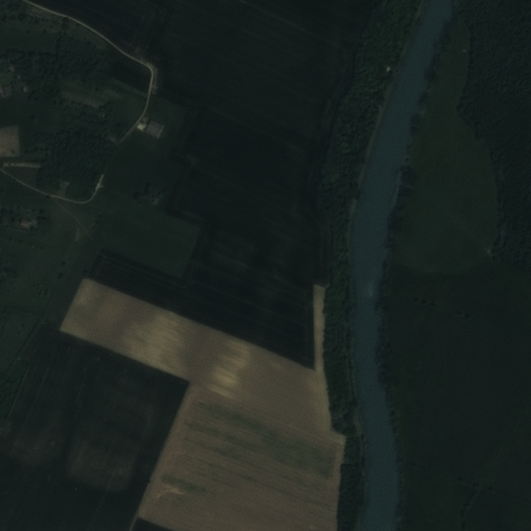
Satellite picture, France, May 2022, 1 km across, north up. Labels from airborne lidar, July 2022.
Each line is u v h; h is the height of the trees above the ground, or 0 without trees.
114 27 0
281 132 0
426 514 0
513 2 15
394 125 0
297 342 0
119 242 0
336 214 14
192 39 0
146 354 0
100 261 0
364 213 0
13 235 0
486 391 0
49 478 0
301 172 0
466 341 0
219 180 0
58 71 10
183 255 0
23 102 0
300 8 0
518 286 0
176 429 0
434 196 0
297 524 0
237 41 0
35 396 0
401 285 0
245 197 0
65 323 0
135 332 0
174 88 0
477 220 0
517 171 18
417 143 0
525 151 16
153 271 0
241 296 0
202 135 0
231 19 0
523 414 0
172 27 0
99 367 0
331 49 0
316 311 0
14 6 11
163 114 0
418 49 0
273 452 0
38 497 0
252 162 0
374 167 0
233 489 0
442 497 0
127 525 0
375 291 0
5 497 0
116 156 0
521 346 0
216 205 0
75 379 0
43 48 0
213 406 0
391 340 0
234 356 0
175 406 0
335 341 17
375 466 0
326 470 0
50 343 0
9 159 0
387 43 16
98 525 0
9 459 0
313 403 0
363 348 0
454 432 0
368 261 0
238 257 0
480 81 12
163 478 0
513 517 0
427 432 0
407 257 0
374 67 16
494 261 11
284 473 0
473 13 18
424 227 0
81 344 0
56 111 0
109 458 0
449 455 0
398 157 0
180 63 0
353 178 25
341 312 9
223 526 0
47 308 0
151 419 0
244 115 0
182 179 0
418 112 0
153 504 0
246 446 0
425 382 0
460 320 0
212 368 0
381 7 14
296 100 0
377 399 0
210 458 0
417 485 0
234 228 0
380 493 0
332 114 0
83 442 0
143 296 0
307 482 0
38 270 0
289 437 0
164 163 0
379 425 0
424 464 0
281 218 0
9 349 0
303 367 0
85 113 7
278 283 0
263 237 0
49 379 0
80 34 0
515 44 15
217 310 0
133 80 0
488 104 15
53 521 0
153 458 0
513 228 16
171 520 0
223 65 0
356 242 0
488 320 0
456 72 0
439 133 0
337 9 0
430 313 0
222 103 0
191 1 0
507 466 0
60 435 0
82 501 0
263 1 0
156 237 0
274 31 0
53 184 8
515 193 16
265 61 0
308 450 0
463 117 12
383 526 0
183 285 0
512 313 0
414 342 0
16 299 0
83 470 0
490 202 0
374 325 0
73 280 0
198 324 0
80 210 0
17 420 0
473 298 0
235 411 0
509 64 14
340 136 10
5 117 0
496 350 0
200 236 0
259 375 0
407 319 0
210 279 0
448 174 0
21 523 0
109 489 0
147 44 0
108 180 0
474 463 0
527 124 18
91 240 0
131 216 0
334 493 0
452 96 0
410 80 0
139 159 0
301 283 0
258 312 0
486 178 0
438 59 15
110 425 0
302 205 0
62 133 11
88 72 17
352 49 0
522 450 0
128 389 0
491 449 0
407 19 21
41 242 0
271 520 0
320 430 0
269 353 0
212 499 0
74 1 0
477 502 0
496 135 15
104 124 13
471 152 0
